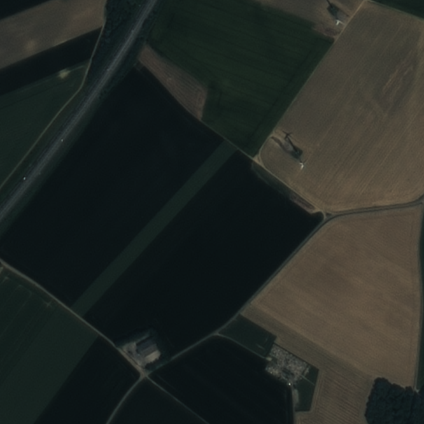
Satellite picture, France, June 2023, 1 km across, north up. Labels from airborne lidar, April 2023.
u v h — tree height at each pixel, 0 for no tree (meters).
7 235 0
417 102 0
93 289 0
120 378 0
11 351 0
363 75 0
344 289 0
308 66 0
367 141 0
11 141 0
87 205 0
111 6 11
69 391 0
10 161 0
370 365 0
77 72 0
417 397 21
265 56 0
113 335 0
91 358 0
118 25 12
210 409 0
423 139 0
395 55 0
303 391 0
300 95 0
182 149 0
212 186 0
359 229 0
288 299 0
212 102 0
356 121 0
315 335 0
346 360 0
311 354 0
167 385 0
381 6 0
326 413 0
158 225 0
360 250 0
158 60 0
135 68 0
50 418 0
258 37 0
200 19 0
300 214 0
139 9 0
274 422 0
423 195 0
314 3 0
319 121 0
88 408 0
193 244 0
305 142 0
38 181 0
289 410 0
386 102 0
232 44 0
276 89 0
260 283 0
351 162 0
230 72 0
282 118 0
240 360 0
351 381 0
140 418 0
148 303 0
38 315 0
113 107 0
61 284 0
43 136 0
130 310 0
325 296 0
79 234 0
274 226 0
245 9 0
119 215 0
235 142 0
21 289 0
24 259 0
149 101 0
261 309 0
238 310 0
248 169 0
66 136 0
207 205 0
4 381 0
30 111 0
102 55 14
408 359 0
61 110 0
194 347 0
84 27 0
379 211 0
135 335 15
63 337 0
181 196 0
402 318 0
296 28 0
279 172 0
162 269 0
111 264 0
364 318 0
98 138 0
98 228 0
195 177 0
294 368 0
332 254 0
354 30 0
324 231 0
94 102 0
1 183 0
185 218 0
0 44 0
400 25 0
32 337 0
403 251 0
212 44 0
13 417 0
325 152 0
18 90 0
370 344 0
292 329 0
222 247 0
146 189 0
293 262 0
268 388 0
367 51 0
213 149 0
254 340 0
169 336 0
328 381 0
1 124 0
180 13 0
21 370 0
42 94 0
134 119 0
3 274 0
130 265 0
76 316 0
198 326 0
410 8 0
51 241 0
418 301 0
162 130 0
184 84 0
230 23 0
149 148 0
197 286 0
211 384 0
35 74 0
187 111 0
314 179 0
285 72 0
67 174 0
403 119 0
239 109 0
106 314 0
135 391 0
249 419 0
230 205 0
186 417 0
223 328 0
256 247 0
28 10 0
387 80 0
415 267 0
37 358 0
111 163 0
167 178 0
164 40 0
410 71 0
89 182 0
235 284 0
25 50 0
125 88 0
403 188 0
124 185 0
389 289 0
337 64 0
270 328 0
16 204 0
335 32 0
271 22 0
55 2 0
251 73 0
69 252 0
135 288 0
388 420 22
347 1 0
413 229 0
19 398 0
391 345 0
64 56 0
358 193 0
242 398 0
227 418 0
